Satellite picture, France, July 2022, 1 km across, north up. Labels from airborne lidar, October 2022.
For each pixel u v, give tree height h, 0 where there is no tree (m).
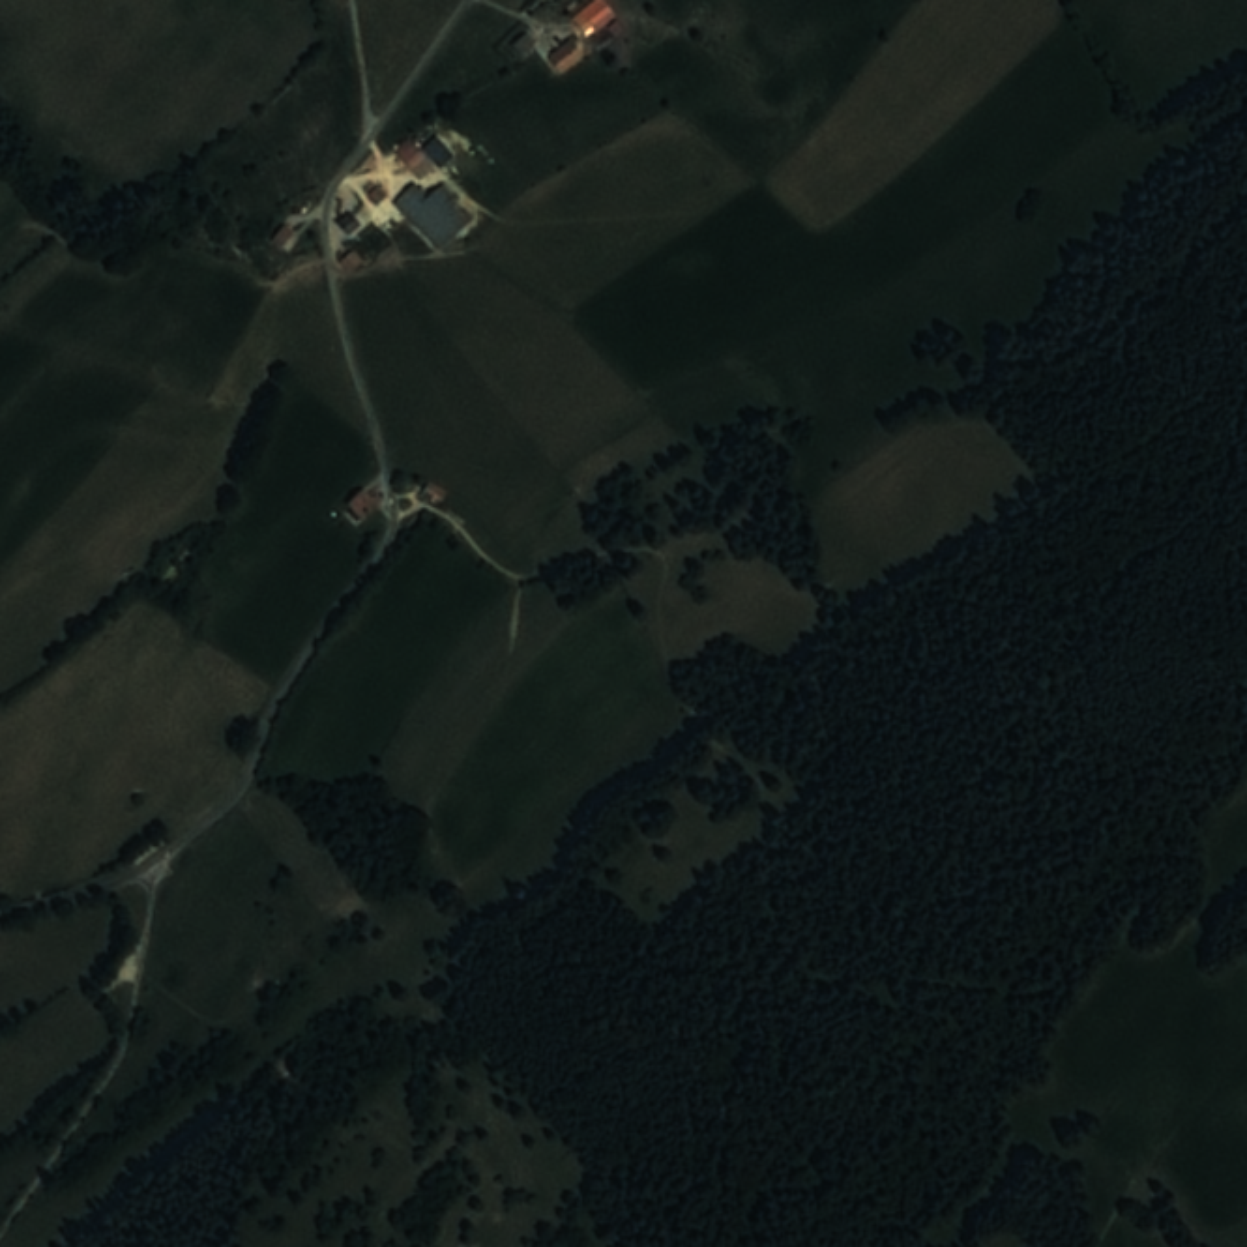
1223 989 0
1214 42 0
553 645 0
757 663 27
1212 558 21
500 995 21
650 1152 25
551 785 0
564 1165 0
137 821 0
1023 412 15
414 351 0
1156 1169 0
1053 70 0
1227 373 24
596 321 0
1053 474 13
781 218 0
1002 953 9
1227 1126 0
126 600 8
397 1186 0
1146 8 0
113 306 0
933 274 0
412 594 0
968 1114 11
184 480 0
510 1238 0
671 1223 13
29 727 0
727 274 0
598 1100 17
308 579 0
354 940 9
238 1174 35
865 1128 21
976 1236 24
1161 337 21
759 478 28
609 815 29
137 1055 0
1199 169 33
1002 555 28
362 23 0
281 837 0
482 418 0
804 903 22
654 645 0
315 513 0
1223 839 0
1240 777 31
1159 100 0
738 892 24
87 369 0
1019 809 20
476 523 0
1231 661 22
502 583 6
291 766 0
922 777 29
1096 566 7
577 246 0
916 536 0
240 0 0
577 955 19
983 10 0
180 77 0
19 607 0
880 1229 13
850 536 0
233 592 0
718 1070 7
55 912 13
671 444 0
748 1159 22
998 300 0
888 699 21
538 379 0
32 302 0
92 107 0
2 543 0
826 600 27
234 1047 10
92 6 0
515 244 0
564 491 0
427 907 0
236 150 0
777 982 25
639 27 0
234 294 0
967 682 28
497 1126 0
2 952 0
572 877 25
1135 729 18
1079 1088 0
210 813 0
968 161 0
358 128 0
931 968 14
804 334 0
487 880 0
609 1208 20
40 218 11
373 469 0
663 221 0
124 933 22
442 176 0
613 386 0
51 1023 0
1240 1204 0
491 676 0
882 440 0
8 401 0
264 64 0
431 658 0
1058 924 7
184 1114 0
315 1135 12
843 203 0
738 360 0
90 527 0
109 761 0
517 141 0
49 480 0
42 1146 15
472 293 0
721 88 0
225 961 0
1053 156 0
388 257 0
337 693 0
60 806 0
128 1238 30
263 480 0
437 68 0
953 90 0
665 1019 18
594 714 0
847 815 18
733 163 0
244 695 0
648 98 0
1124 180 0
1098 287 24
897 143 0
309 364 0
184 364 0
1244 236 21
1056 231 0
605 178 0
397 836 16
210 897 0
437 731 0
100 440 0
